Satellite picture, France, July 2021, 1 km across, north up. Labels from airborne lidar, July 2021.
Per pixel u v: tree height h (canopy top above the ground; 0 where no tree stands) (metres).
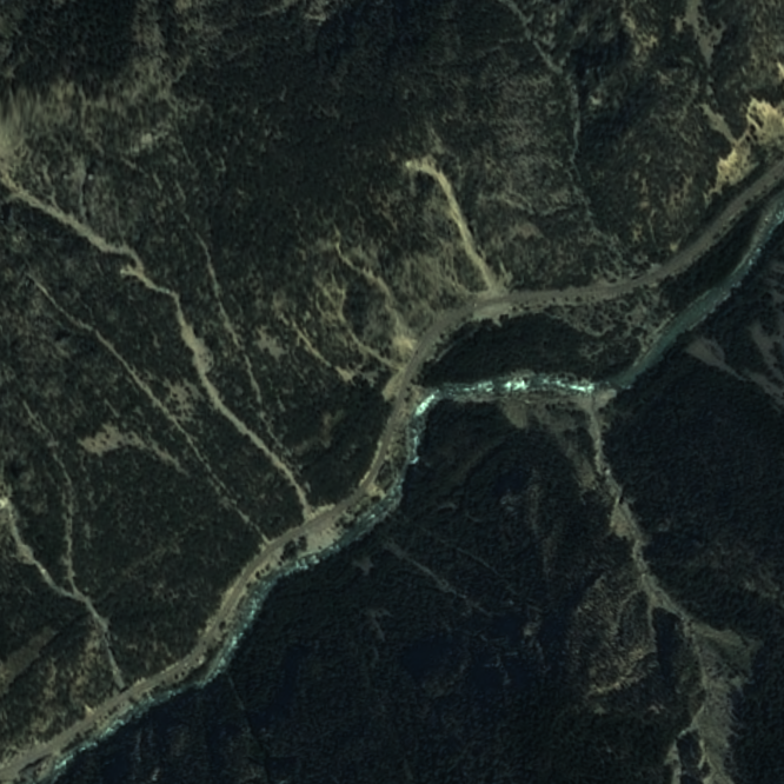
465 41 15
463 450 14
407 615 8
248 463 6
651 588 0
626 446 7
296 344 10
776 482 15
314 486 11
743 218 9
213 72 16
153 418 6
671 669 11
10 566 8
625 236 6
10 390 10
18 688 9
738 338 7
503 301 0
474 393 0
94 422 9
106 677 7
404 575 9
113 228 6
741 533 18
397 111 15
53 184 8
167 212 10
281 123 6
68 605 13
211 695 8
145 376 6
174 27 18
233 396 7
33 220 14
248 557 13
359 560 10
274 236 12
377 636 11
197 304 7
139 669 6
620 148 6
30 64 17
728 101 10
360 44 9
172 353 7
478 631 9
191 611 10
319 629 12
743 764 9
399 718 7
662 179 6
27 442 6
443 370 10
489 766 12
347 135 15
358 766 16
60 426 8
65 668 7
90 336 5
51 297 6
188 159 8
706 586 9
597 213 8
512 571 12
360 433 15
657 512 13
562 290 6
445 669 6
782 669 9
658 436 8
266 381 8
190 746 10
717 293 0
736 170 0
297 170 12
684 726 13
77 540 10
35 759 0
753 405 7
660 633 13
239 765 6
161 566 9
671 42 14
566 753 16
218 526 12
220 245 12
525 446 7
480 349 13
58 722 10
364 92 17
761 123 7
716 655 0
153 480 7
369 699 7
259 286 6
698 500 8
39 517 7
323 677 7
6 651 9
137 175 15
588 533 15
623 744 13
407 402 9
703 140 8
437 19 12
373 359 9
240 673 13
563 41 7
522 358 9
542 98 6
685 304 7
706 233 0
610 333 8
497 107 6
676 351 7
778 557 12
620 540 9
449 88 7
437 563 7
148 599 9
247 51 8
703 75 11
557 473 12
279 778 7
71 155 9
